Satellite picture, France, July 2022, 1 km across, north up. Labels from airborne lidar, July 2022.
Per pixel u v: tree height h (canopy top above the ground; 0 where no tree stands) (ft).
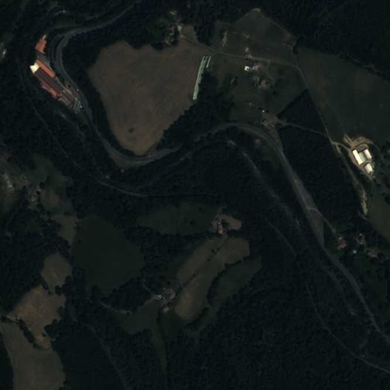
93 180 77
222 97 35
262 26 0
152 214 0
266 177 50
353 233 59
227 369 35
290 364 66
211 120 71
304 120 56
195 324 83
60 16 62
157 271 84
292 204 53
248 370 106
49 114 88
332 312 58
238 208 43
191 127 77
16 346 0
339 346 103
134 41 67
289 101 0
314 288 75
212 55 0
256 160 48
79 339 21
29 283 24
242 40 0
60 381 0
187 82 0
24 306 0
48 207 0
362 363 91
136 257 0
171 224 0
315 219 0
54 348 45
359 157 0
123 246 0
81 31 0
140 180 37
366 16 21
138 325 0
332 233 21
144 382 65
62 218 0
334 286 79
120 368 60
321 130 59
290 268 83
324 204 71
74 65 79
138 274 0
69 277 45
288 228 91
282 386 92
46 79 0
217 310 0
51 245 89
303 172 32
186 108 0
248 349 21
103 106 47
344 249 24
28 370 0
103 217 48
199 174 70
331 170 61
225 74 0
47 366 0
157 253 84
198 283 0
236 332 63
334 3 82
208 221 0
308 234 53
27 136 21
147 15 94
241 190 39
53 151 84
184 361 78
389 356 51
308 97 51
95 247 0
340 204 53
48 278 0
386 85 0
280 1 76
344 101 0
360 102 0
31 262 75
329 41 113
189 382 28
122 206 20
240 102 0
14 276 82
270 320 89
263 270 58
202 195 57
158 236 83
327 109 0
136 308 49
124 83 0
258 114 0
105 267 0
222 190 29
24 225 84
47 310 0
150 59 0
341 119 0
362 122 0
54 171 0
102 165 72
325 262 58
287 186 44
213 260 0
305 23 64
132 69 0
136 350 84
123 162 0
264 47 0
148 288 43
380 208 0
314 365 54
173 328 0
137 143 0
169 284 40
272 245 62
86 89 49
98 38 48
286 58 0
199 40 45
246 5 86
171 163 29
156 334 0
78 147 93
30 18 74
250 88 0
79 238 0
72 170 105
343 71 0
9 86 68
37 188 0
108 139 43
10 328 0
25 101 64
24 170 38
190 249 0
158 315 35
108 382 20
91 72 0
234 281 0
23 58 107
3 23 25
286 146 64
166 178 56
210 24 41
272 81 0
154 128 0
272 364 73
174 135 59
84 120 0
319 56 0
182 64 0
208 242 0
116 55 0
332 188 68
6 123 91
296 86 0
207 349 93
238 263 34
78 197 110
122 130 0
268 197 69
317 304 28
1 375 26
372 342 64
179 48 0
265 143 0
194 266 0
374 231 42
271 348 65
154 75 0
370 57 21
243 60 0
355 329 80
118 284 0
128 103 0
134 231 75
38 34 46
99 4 103
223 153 34
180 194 62
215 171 36
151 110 0
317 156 57
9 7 31
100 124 63
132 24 69
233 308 88
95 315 46
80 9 79
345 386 91
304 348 96
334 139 0
